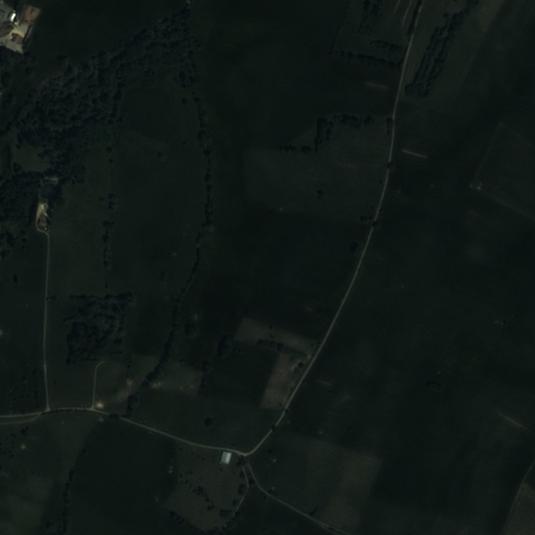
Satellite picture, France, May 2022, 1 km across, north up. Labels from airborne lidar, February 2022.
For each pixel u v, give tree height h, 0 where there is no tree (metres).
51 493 0
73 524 0
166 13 0
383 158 0
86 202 0
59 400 0
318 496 0
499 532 0
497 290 0
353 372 0
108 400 0
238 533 0
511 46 0
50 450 0
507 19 0
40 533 0
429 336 0
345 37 0
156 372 11
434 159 0
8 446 0
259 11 0
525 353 0
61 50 0
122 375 0
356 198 0
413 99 0
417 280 0
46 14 0
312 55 0
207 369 13
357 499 0
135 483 0
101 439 0
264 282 0
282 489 0
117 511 0
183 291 11
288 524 0
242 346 0
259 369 0
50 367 0
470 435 0
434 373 0
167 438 0
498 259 0
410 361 0
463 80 0
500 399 0
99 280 0
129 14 0
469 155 0
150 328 0
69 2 0
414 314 0
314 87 0
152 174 0
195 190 0
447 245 0
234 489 0
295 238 0
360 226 0
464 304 0
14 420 0
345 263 0
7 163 0
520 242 0
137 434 0
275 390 0
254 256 0
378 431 0
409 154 0
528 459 0
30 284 0
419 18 0
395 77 0
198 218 0
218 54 0
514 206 0
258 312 0
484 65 0
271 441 0
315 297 0
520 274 0
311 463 0
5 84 13
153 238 0
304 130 0
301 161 0
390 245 0
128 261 0
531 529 0
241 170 0
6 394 0
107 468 0
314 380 0
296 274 0
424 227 0
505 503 0
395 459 0
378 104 0
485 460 0
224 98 0
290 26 0
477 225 0
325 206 0
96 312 10
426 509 0
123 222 0
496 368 0
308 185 0
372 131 0
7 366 0
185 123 0
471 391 0
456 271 0
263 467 0
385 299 0
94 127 27
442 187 0
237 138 0
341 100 0
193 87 16
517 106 0
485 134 0
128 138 0
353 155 0
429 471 0
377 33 0
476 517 0
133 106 0
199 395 0
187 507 0
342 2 0
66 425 0
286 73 0
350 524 0
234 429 0
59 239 0
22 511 0
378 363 0
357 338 0
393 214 0
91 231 0
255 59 0
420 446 0
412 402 0
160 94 0
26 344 0
